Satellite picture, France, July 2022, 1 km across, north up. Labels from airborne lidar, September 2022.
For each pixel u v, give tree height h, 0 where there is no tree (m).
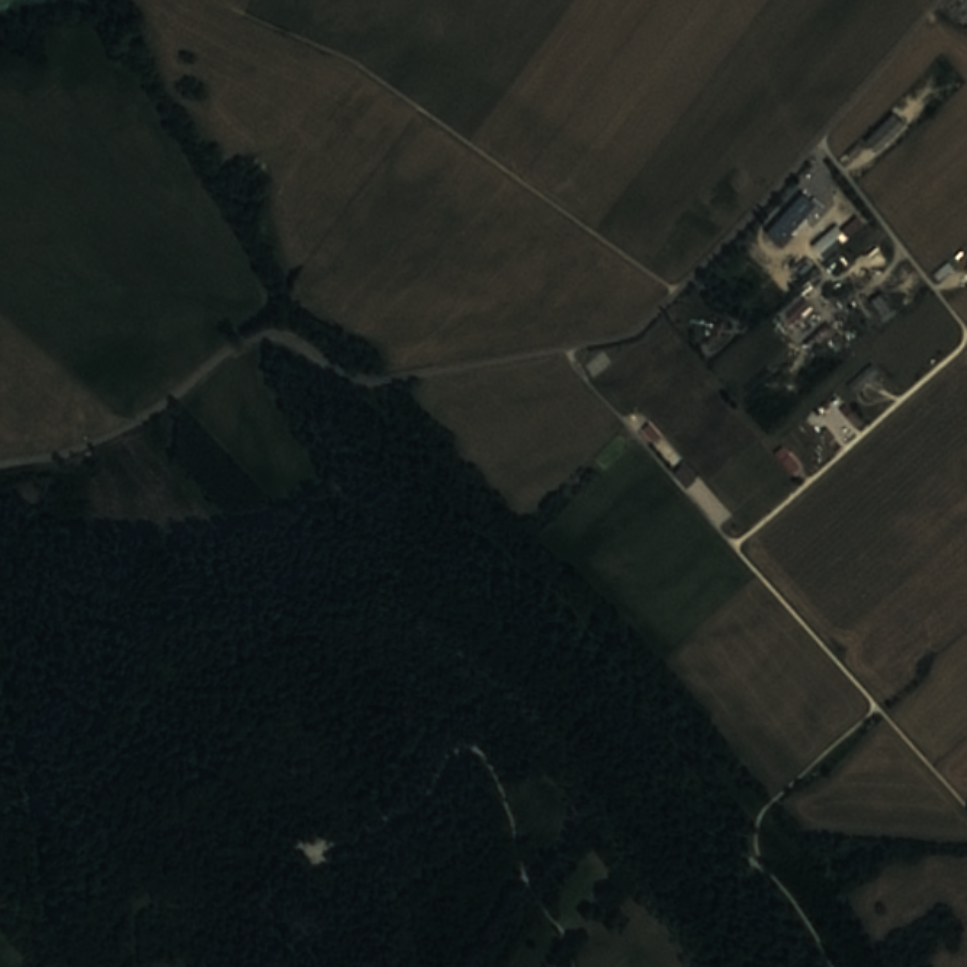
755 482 0
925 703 0
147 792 19
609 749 26
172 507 0
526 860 12
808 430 0
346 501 7
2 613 13
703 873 19
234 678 20
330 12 0
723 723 0
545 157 0
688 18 0
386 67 0
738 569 0
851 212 0
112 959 13
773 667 0
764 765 0
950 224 0
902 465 0
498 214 0
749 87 0
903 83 0
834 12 0
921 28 0
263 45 0
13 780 31
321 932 19
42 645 27
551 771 17
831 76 0
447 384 0
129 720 21
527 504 0
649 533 0
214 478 15
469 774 27
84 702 14
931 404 0
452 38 0
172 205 0
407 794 17
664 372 0
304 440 24
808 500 0
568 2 0
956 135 0
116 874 10
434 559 18
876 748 0
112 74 0
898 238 0
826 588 0
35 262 0
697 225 0
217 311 0
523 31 0
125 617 17
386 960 20
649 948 0
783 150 0
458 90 0
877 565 0
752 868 12
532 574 9
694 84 0
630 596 0
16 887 33
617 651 27
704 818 21
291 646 18
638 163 0
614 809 29
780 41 0
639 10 0
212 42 0
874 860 22
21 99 0
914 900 0
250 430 0
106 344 0
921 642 0
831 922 9
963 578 0
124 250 0
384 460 25
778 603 0
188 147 14
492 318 0
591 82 0
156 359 0
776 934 24
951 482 0
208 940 13
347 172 0
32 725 26
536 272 0
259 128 0
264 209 7
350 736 7
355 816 18
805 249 0
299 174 0
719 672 0
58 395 0
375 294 0
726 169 0
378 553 27
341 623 11
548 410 0
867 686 0
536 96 0
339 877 12
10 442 0
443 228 0
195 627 20
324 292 0
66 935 16
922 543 0
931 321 0
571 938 17
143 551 26
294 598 26
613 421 0
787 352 0
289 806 14
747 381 0
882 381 0
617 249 0
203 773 10
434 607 23
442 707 19
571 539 0
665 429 0
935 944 7
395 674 17
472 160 0
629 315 0
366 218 0
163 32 0
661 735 14
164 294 0
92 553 32
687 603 0
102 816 14
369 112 0
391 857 26
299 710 17
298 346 0
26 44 15
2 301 0
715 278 11
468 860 18
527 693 22
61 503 9
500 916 21
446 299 0
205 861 19
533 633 28
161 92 10
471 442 0
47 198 0
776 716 0
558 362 0
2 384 0
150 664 18
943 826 0
